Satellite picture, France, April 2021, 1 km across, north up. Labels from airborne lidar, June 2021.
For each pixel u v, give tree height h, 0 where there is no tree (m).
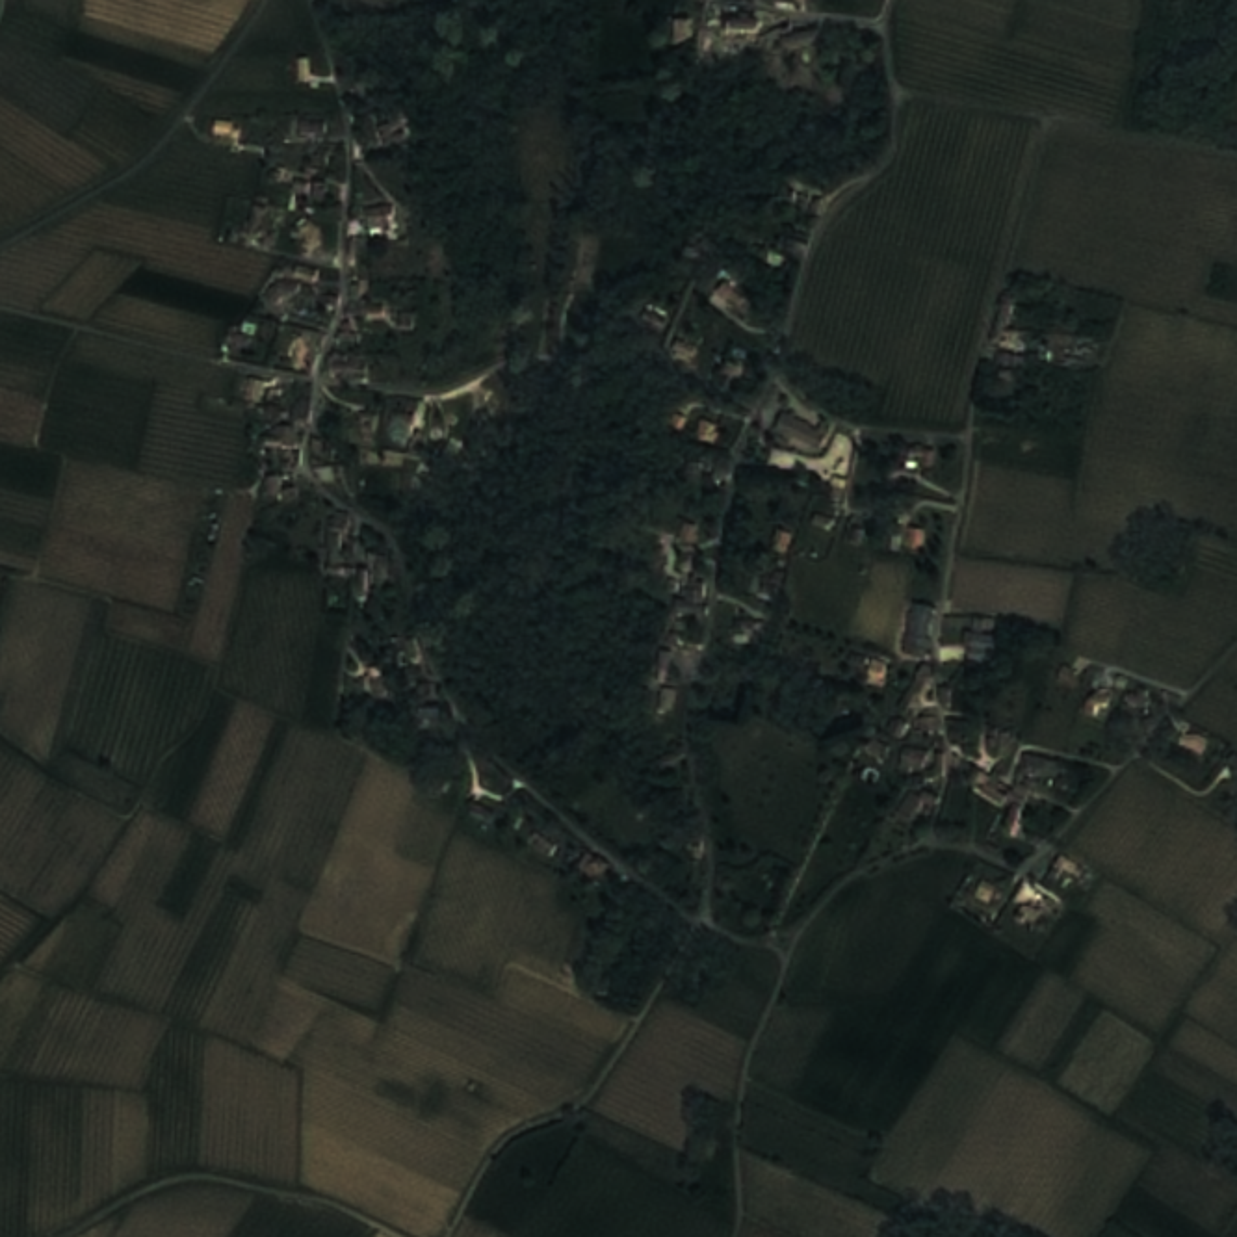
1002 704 12
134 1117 0
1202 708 0
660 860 15
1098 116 0
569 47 12
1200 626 0
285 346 0
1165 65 15
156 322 0
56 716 0
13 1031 0
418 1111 0
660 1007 0
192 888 0
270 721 0
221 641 0
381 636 9
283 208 0
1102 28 0
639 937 18
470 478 20
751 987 0
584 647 14
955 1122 0
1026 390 8
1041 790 0
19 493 0
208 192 0
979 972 0
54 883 0
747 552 17
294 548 9
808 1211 0
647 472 16
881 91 15
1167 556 14
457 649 17
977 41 0
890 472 8
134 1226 0
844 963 0
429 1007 0
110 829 0
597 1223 0
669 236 10
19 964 0
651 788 9
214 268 0
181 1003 0
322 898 0
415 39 16
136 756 0
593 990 17
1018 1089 0
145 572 0
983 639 0
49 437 0
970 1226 18
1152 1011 0
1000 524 0
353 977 0
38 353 0
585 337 25
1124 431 0
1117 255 0
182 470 0
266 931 0
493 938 0
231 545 0
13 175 0
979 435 0
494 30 30
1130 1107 0
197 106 0
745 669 15
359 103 10
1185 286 0
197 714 0
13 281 0
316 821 0
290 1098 0
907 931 0
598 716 17
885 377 0
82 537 0
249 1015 0
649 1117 0
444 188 11
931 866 0
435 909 0
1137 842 0
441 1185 0
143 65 0
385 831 0
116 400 0
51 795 0
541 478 25
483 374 0
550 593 19
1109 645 0
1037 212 0
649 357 22
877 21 0
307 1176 0
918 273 0
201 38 0
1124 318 0
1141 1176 0
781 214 8
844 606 0
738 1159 0
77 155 0
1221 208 0
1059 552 0
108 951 0
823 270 0
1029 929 0
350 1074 0
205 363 0
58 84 0
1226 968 0
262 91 0
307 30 0
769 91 16
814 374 16
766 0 0
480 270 12
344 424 15
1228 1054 0
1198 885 0
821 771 9
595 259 0
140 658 0
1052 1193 0
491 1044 0
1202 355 0
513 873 0
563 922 0
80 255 0
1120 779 0
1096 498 0
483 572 18
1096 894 0
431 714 0
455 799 0
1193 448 0
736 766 0
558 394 22
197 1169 0
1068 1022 0
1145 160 0
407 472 0
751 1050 0
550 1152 0
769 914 7
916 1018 0
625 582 16
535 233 0
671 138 21
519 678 22
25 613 0
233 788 0
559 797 8
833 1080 0
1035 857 0
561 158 0
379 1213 0
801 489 12
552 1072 0
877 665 0
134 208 0
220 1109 0
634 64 0
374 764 0
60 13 0
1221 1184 0
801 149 19
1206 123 20
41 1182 0
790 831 0
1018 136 0
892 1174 0
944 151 0
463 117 12
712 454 15
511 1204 0
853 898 0
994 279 0
